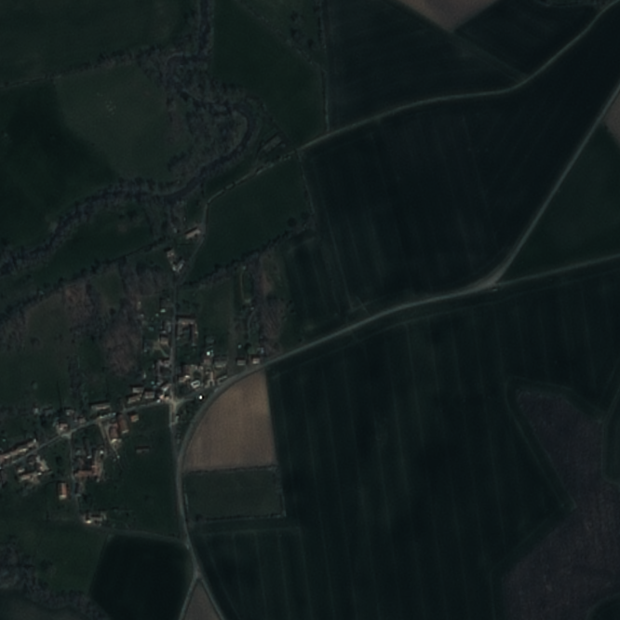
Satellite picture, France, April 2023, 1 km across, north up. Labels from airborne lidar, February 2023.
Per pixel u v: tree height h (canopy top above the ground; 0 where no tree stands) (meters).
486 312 0
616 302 0
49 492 0
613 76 0
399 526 0
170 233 17
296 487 0
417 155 0
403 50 0
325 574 0
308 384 0
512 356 0
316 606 0
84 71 10
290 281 0
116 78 0
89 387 0
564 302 0
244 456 0
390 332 0
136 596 0
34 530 0
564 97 0
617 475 0
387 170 0
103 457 7
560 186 0
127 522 0
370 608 0
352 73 0
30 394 6
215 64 0
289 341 0
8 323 16
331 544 0
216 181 0
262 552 0
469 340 0
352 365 0
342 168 0
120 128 0
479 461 0
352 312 0
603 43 0
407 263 0
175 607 0
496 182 0
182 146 0
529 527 0
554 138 0
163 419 0
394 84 0
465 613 0
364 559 0
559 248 0
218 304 0
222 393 0
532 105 0
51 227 0
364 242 0
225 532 0
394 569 0
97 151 0
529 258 0
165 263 0
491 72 0
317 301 0
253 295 11
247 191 0
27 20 0
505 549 0
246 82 0
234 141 30
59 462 10
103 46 0
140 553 0
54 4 0
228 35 0
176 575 0
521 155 0
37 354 0
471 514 0
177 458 0
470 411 0
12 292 0
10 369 0
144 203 17
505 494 0
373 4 0
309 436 0
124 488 0
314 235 0
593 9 0
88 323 6
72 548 0
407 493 0
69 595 8
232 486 0
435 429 0
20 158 0
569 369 0
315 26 0
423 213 0
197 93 29
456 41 0
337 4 0
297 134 0
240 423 0
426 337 0
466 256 0
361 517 0
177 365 0
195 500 0
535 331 0
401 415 0
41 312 0
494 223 0
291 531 0
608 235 0
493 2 0
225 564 0
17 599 0
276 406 0
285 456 0
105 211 9
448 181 0
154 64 21
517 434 0
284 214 0
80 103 0
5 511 0
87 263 0
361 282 0
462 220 0
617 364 0
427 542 0
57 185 0
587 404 0
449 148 0
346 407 0
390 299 0
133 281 21
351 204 0
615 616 0
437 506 0
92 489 0
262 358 11
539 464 0
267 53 0
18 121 0
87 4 0
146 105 0
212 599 0
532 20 0
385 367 0
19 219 0
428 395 0
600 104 0
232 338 0
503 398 0
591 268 0
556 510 0
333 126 0
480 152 0
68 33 0
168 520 0
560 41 0
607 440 0
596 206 0
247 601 0
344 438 0
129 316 10
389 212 0
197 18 17
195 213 0
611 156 0
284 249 0
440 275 0
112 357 8
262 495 0
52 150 0
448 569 0
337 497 0
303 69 0
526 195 0
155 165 0
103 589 0
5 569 24
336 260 0
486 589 0
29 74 0
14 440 0
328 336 0
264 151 0
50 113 0
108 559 0
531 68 0
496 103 0
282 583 0
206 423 0
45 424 12
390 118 0
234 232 0
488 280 0
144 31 0
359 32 0
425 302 0
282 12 0
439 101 0
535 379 0
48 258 19
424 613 0
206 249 0
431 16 0
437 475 0
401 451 0
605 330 0
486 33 0
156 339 0
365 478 0
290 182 0
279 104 0
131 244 0
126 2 0
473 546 0
